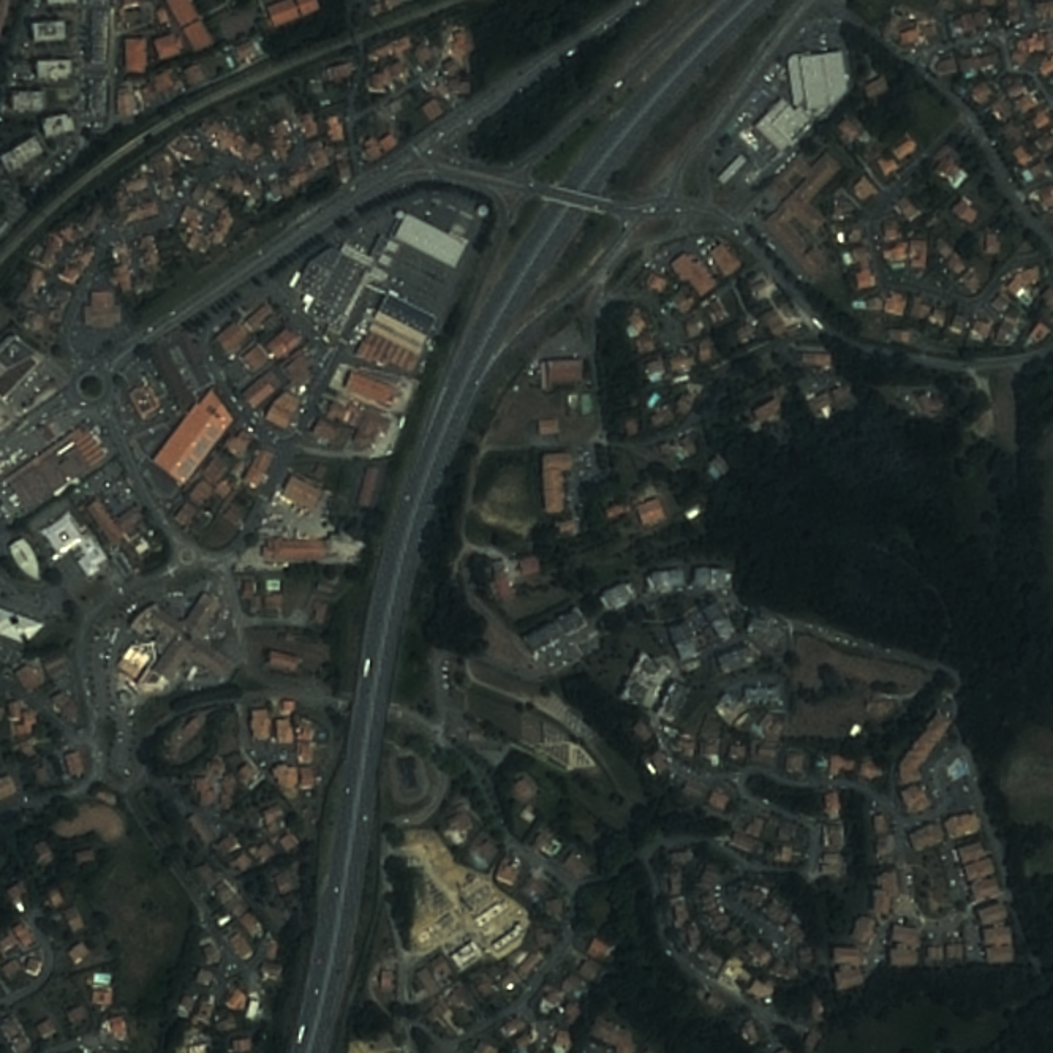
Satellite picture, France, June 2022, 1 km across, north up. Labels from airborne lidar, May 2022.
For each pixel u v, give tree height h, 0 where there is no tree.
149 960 0
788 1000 14
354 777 0
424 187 17
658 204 0
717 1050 24
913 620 11
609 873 17
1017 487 22
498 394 0
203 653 0
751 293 11
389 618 0
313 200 11
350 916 0
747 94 0
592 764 0
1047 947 24
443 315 0
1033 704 19
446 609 11
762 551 25
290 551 0
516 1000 7
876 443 22
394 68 0
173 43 0
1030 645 18
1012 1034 12
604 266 0
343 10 9
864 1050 0
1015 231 16
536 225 0
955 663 14
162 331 0
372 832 0
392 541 0
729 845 6
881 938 0
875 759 7
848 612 11
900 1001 15
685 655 0
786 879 11
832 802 0
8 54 12
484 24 11
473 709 0
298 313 0
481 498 0
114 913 0
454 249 0
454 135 0
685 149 0
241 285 0
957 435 23
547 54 0
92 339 0
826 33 0
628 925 26
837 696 13
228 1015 8
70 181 14
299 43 6
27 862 12
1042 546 6
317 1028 0
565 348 0
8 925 13
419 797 0
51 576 10
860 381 14
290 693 0
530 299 0
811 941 14
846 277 6
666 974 23
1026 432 16
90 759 0
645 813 18
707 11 0
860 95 7
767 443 25
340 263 0
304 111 8
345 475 0
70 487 8
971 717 25
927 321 6
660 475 14
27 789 7
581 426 0
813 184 0
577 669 9
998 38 0
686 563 7
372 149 0
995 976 17
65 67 0
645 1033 8
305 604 0
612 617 17
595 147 0
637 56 0
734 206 0
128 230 0
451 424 0
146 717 0
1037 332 0
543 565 13
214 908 6
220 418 0
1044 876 7
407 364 0
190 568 0
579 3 11
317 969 0
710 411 23
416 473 0
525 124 11
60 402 0
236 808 6
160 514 0
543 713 0
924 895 7
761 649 0
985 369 0
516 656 0
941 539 11
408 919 11
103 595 0
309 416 0
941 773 0
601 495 21
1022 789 0
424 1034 15
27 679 0
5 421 0
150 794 10
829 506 15
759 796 7
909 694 0
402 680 0
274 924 0
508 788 17
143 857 0
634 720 14
